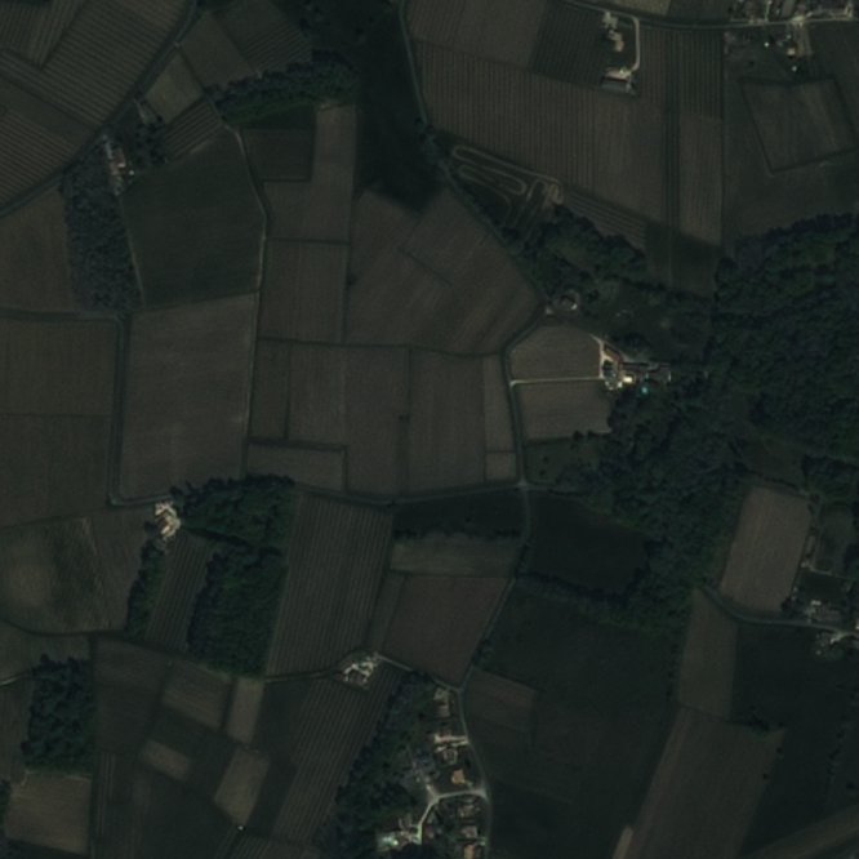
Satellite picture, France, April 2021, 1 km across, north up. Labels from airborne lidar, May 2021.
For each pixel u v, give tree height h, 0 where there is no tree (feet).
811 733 0
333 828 46
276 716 0
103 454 0
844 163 0
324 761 0
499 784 0
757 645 0
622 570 0
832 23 0
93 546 0
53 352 0
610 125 0
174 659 0
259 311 0
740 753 0
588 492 60
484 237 0
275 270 0
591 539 0
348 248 0
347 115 0
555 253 52
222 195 0
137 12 0
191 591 0
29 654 0
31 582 0
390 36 0
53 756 57
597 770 0
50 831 0
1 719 0
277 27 0
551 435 0
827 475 71
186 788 0
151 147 21
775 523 0
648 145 0
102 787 0
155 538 37
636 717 0
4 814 35
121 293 53
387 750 65
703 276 0
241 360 0
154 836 0
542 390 0
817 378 65
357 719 0
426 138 21
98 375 0
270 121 0
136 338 0
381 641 0
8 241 0
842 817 0
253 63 0
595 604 64
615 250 65
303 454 0
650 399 35
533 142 0
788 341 84
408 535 31
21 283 0
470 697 0
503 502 0
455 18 0
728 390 55
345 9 0
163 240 0
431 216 0
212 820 0
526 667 0
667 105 0
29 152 0
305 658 0
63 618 0
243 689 0
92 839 0
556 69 0
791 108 0
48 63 0
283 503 61
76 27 0
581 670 0
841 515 0
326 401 0
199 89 0
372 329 0
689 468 72
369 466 0
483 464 0
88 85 0
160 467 0
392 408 0
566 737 0
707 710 0
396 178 0
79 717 59
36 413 0
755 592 0
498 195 0
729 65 0
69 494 0
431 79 0
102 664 0
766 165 0
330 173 0
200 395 0
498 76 0
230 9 0
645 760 0
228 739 0
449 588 0
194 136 0
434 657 0
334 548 0
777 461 0
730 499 84
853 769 0
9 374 0
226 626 77
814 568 0
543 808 0
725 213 0
